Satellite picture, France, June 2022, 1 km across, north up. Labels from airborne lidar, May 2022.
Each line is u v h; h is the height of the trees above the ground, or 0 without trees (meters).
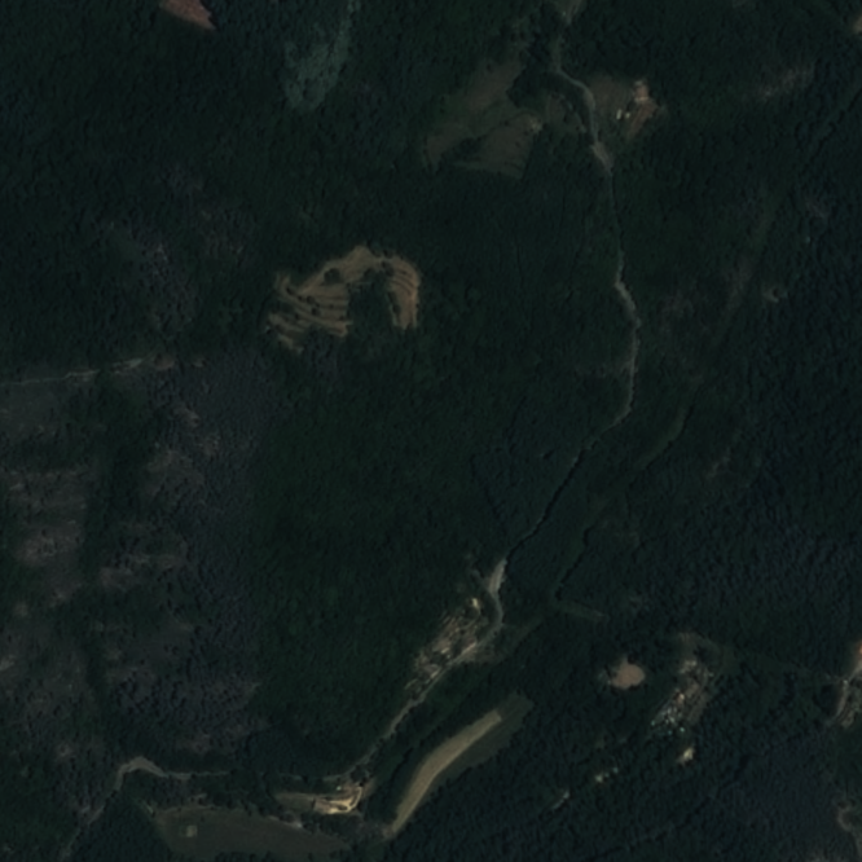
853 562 18
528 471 32
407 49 28
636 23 23
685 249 14
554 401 15
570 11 0
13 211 8
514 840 20
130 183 18
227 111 11
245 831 0
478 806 30
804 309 16
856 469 16
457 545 12
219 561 17
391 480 18
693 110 20
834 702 23
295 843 0
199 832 0
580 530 32
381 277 7
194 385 14
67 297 16
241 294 12
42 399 0
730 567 17
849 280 13
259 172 16
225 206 16
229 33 32
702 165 24
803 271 16
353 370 14
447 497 18
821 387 19
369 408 18
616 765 8
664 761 21
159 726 15
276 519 18
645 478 17
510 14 17
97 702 11
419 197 10
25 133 34
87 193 14
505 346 11
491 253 6
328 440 18
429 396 18
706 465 16
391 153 31
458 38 18
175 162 13
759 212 21
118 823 25
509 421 19
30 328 9
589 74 8
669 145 13
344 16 18
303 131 12
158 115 10
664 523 23
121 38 20
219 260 7
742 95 9
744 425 21
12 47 24
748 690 22
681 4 11
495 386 16
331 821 14
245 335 13
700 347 11
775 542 26
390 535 22
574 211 10
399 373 13
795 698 26
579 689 24
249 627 19
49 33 28
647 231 22
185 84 16
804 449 21
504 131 0
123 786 10
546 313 10
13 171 16
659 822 20
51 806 17
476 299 19
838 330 17
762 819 9
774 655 23
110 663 12
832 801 15
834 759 19
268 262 17
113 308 6
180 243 19
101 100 20
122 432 17
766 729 21
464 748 0
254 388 17
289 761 35
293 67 18
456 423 19
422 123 16
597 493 16
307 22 30
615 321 15
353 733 16
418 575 12
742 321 17
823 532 6
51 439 8
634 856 19
